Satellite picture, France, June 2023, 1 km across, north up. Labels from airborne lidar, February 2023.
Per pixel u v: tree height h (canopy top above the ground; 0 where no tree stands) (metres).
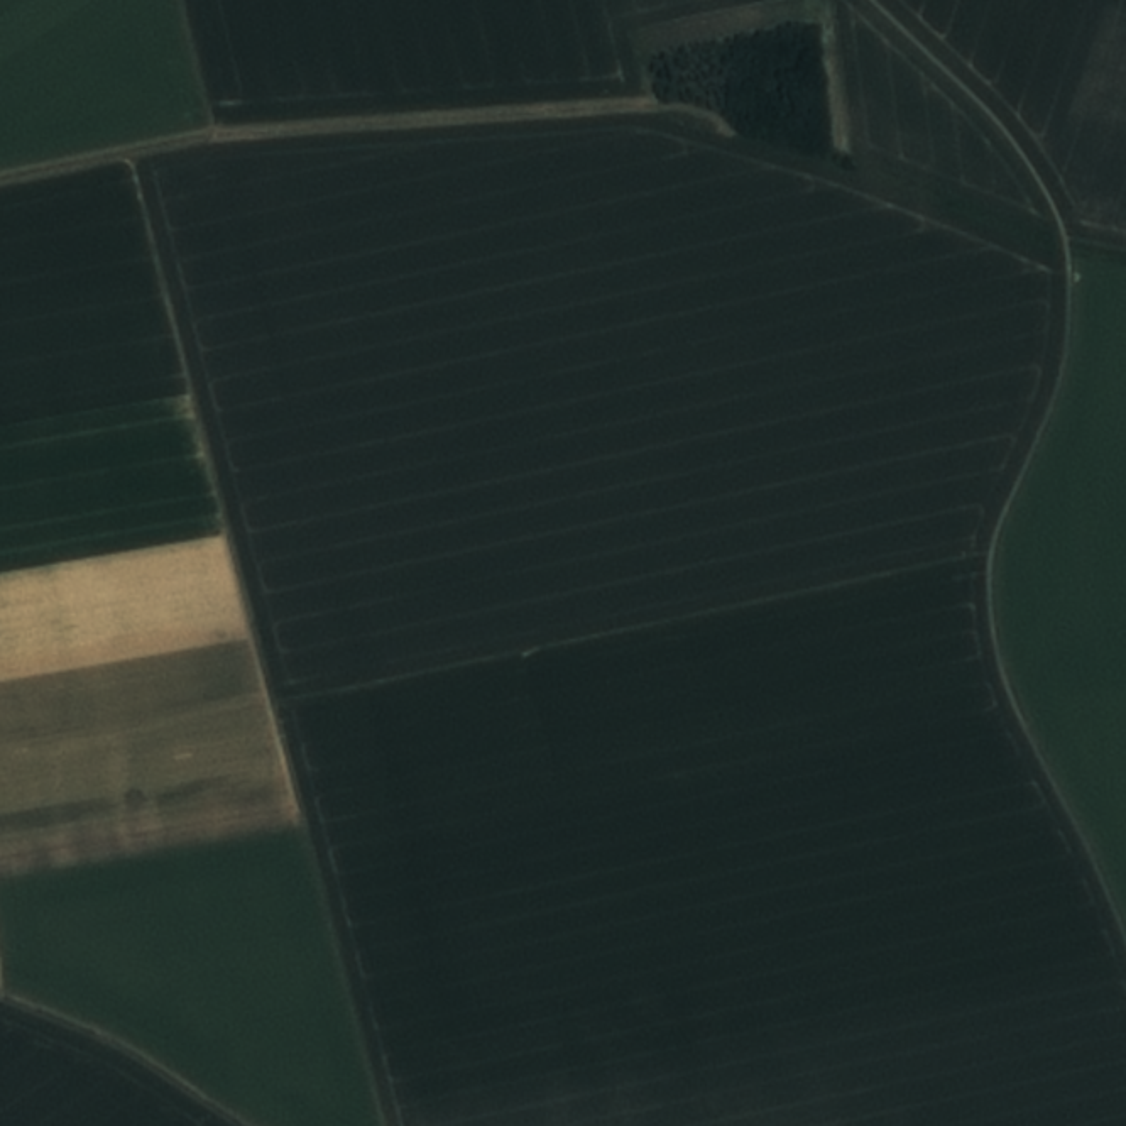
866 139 0
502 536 0
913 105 0
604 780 0
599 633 0
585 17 0
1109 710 0
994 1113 0
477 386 0
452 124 0
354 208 0
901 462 0
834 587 0
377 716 0
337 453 0
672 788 0
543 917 0
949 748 0
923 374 0
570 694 0
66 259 0
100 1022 0
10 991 0
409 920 0
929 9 0
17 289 0
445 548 0
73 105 0
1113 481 0
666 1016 0
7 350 0
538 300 0
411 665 0
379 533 0
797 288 0
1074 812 0
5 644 0
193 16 0
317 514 0
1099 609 0
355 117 0
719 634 0
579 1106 0
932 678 0
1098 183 0
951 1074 0
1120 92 0
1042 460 0
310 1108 0
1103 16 0
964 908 0
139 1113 0
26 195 0
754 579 0
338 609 0
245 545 0
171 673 0
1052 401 0
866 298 0
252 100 0
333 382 0
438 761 0
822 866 0
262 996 0
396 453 0
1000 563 0
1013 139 0
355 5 0
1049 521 0
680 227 0
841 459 0
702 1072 0
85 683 0
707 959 0
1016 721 0
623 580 0
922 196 0
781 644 0
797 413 0
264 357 0
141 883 0
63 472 0
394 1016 0
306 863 0
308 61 0
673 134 0
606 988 0
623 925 0
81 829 0
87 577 0
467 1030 0
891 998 0
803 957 0
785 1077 0
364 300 0
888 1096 0
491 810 0
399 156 0
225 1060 0
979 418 0
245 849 0
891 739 0
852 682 0
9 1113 0
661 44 0
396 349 0
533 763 0
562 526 0
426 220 0
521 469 0
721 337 0
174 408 0
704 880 0
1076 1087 0
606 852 0
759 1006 0
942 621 0
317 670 0
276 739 0
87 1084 0
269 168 0
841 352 0
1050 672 0
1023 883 0
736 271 0
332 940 0
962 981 0
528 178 0
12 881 0
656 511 0
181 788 0
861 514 0
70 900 0
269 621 0
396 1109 0
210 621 0
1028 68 0
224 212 0
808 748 0
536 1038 0
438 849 0
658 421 0
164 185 0
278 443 0
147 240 0
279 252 0
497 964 0
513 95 0
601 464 0
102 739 0
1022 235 0
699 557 0
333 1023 0
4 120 0
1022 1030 0
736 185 0
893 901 0
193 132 0
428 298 0
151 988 0
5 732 0
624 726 0
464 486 0
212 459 0
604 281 0
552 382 0
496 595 0
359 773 0
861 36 0
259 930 0
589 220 0
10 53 0
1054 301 0
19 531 0
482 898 0
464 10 0
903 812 0
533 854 0
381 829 0
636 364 0
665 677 0
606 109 0
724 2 0
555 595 0
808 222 0
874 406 0
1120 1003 0
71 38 0
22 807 0
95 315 0
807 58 16
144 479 0
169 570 0
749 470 0
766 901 0
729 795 0
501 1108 0
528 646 0
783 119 14
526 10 0
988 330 0
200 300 0
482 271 0
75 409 0
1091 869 0
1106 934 0
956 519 0
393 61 0
